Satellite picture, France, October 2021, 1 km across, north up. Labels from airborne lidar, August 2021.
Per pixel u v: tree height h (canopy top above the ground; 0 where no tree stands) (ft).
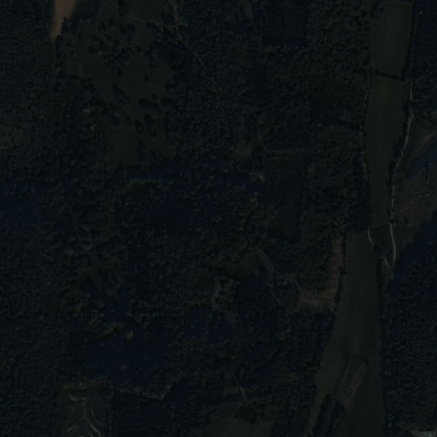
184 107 79
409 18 0
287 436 74
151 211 49
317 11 77
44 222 50
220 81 62
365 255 0
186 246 57
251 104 53
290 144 69
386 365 38
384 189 0
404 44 0
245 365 30
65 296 72
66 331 92
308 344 57
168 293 56
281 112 65
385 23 0
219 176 70
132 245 72
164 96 0
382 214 0
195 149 62
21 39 64
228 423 0
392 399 62
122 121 28
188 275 65
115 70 52
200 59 34
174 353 76
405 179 0
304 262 55
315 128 73
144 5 0
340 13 71
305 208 41
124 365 101
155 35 52
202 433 50
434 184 0
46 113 49
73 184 82
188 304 32
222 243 73
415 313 82
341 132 92
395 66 0
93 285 0
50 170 107
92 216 68
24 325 49
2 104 68
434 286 102
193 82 54
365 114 34
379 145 0
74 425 0
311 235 43
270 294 57
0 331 62
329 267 67
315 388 48
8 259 41
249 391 62
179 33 26
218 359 71
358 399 0
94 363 76
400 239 0
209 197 63
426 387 30
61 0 0
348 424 0
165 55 66
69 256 72
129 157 0
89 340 58
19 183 85
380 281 63
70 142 106
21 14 28
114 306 0
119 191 52
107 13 0
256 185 0
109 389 54
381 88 0
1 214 72
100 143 68
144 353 75
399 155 70
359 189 71
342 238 51
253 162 22
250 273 0
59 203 58
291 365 84
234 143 46
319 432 57
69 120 91
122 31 30
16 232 44
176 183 53
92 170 68
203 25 80
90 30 0
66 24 28
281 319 52
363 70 40
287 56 57
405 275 78
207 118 73
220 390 49
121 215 34
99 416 0
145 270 61
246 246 47
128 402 55
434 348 74
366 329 0
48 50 46
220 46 43
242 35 59
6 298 30
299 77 41
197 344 62
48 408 38
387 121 0
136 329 23
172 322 63
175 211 63
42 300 60
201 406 51
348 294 0
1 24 61
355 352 0
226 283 74
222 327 41
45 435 45
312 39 74
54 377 21
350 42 78
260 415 35
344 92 29
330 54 84
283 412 56
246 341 87
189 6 67
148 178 36
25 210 56
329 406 61
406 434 0
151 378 89
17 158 38
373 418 0
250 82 73
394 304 75
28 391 52
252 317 66
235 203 75
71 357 111
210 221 77
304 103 71
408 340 81
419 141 0
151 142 0
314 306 0
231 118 53
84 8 0
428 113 23
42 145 48
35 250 30
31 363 54
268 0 57
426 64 0
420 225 0
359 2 36
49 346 33
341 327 0
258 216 104
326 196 40
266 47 92
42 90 51
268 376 82
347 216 58
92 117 61
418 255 52
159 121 0
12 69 52
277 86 55
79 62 0
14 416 77
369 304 0
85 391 0
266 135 66
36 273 33
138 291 59
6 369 66
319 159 45
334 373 0
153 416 67
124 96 37
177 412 23
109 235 65
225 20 47
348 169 67
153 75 0
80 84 32
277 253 52
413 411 67
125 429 57
